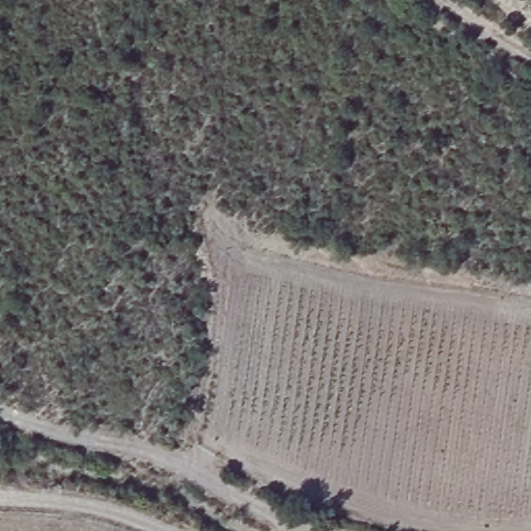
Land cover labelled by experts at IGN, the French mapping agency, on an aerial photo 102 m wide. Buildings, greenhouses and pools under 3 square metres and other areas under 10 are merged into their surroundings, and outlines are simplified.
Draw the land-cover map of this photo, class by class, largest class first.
<instances>
[{"label":"brushwood","instance_id":"1","mask_svg":"<svg viewBox=\"0 0 531 531\"><path fill-rule=\"evenodd\" d=\"M479 25L465 23L450 8L438 6L434 0H0V404H8L25 413L37 411L39 407H44V394L58 388V404L64 411L60 425H71L75 436H79L83 429L95 431L102 425L106 431L133 434L139 440H145L156 446H164L170 450L180 448V434L185 425H189L195 413L203 409V396H193V392L201 386V380L207 375L209 357L214 355V344L207 338L205 322L212 309V292L218 290V284L201 276L203 263L197 257V249L205 232L203 214L207 207H220L228 216H245L251 232L282 234V239L288 241L292 247H319L334 251L338 261H348L355 255H373L384 249L392 257L404 259L409 268H434L440 274H454L463 268L475 276H504L512 284H531V60L508 54L494 39H483L479 35ZM490 21H494L502 10L494 0H456ZM525 23V17L521 12H510L502 29H506V33L512 35L516 27ZM0 483L12 485L21 492H33L35 487H64L73 490L71 496L100 494L106 500H116L118 504H124L137 512L151 514L166 525H178L180 529L183 525H193L199 531H272L268 523L257 521L249 512L247 506L228 504L216 496H207L201 485L189 479L178 481L176 473L156 469L153 463H145L139 458L122 460L120 456L110 452L87 450L79 444H66L60 440L46 438L44 434H29L0 417ZM251 475L245 473L241 463L230 460L222 469V481L236 487H245ZM272 506L282 525L290 529L311 525V531H415L400 529L398 525H380L351 519L348 510L344 508V502L351 498V490H340L334 496L328 492V485L319 479H307L299 490H290L280 481H272L270 485L259 490L257 496Z\"/></svg>","mask_w":531,"mask_h":531},{"label":"vineyard","instance_id":"2","mask_svg":"<svg viewBox=\"0 0 531 531\"><path fill-rule=\"evenodd\" d=\"M438 6L450 8L465 23L479 25V35L483 39H494L508 54L531 60V0H494L502 10L494 21H490L456 0H434ZM510 12H521L525 17V23L516 27L512 35L506 33V29H502ZM205 232L197 249V257L203 263L201 276L218 284V290L212 292V309L205 322L207 338L214 344V355L209 357L207 375L201 380V386L193 392V396H203V409L195 413L189 425H185L180 434V448L191 450L193 446L203 444L205 429H209L214 431V440L226 438L234 444L259 448L255 456H247L241 463L245 473L251 475L245 487L249 494L257 496L259 490L270 485L272 481H280L290 490H299L307 479H319L328 485V492L334 496L340 490H351V498L344 502V508L348 510L351 519L380 525H398L400 529L415 531H531V284H512L504 276H475L463 268L454 274H440L434 268H409L404 259L392 257L384 249L373 255H355L348 261H338L334 251L319 247H292L288 241L282 239V234L251 232L245 216H228L220 207H207L203 214ZM50 423L60 425L64 411L58 404V388L44 394V407H39L37 411ZM0 531H141L131 525L89 512H71L60 508L35 506H0Z\"/></svg>","mask_w":531,"mask_h":531},{"label":"pervious surface","instance_id":"3","mask_svg":"<svg viewBox=\"0 0 531 531\"><path fill-rule=\"evenodd\" d=\"M0 417L29 434H44L46 438L60 440L66 444H79L87 450L110 452L120 456L122 460L139 458L145 463H153L156 469L176 473L178 481L189 479L201 485L207 496H216L228 504L247 506L249 512L257 521L268 523L272 531H311V525L290 529L282 525L272 506L257 496L249 494L245 487H236L222 481V469L230 460L241 463L247 456H255L259 448L234 444L226 438L214 440V431L209 429H205L203 444L193 446L191 450L180 448L170 450L164 446H156L145 440H139L133 434L106 431L102 425L95 431L83 429L79 436H75L71 425H60L50 423L37 411L25 413L8 404H0ZM73 490L64 487H35L33 492H21L12 485L0 483V506H35L60 508L71 512H89L131 525L141 531H199L193 525H183L180 529L178 525H166L151 514L137 512L124 504H118L116 500H106L100 494L71 496Z\"/></svg>","mask_w":531,"mask_h":531}]
</instances>
